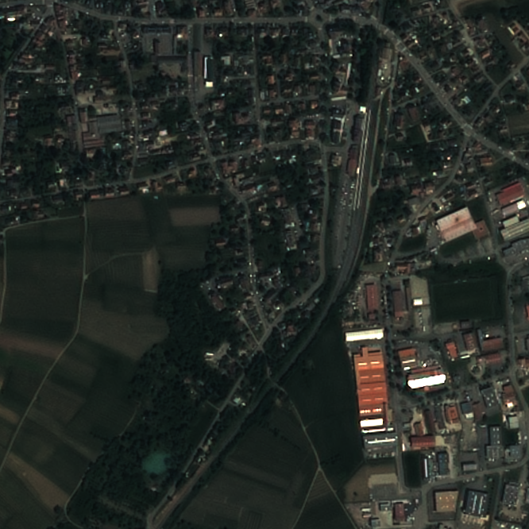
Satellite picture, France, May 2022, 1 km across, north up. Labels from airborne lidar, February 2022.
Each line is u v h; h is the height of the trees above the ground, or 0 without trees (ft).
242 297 0
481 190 0
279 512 0
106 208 0
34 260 0
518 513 0
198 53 0
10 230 0
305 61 0
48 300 0
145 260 0
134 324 0
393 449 0
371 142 0
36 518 0
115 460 25
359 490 0
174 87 0
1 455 0
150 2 0
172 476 62
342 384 0
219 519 0
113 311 0
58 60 0
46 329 0
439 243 0
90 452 0
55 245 0
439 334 0
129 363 0
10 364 0
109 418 0
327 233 0
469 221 0
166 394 47
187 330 24
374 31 35
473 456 0
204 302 20
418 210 0
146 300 0
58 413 0
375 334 0
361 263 0
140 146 0
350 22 41
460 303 0
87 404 0
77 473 0
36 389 0
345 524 0
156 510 0
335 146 0
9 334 0
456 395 23
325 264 0
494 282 0
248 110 0
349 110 0
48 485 0
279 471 0
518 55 0
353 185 0
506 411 0
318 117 0
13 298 0
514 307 0
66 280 0
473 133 0
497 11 0
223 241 26
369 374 0
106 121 0
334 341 0
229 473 0
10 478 0
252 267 0
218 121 26
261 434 0
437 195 0
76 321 0
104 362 0
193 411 21
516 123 0
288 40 45
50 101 49
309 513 0
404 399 0
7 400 0
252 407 0
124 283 0
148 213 0
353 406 0
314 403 0
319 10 0
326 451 0
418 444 0
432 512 0
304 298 0
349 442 0
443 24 0
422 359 0
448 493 0
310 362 0
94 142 0
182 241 0
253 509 0
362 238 0
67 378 0
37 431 0
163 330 0
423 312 0
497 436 0
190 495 0
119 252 0
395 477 0
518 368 0
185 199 0
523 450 0
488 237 0
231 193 0
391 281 0
